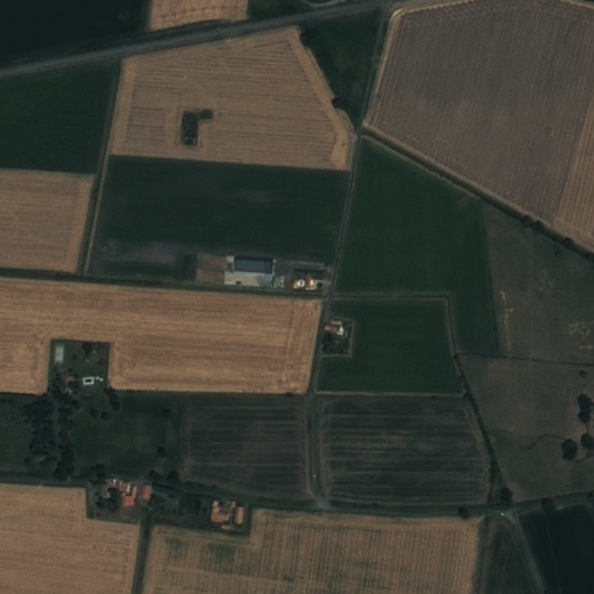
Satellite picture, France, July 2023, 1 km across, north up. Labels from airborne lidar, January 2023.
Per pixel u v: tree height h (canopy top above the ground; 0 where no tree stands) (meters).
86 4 0
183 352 0
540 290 0
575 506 0
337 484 0
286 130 0
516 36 0
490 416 0
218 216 0
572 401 0
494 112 0
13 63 0
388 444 0
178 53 0
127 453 0
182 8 0
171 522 0
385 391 0
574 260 0
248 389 0
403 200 0
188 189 0
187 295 0
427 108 0
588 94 0
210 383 0
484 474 0
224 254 0
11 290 0
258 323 0
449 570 0
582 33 0
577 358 0
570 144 0
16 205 0
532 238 0
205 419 0
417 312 0
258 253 0
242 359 0
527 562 0
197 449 0
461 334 0
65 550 0
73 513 0
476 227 0
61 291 0
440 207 0
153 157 0
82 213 0
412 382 0
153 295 0
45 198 0
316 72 0
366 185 0
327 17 0
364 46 0
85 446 0
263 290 0
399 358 0
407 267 0
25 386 0
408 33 0
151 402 0
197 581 0
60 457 0
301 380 0
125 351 0
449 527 0
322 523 0
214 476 0
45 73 0
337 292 0
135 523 0
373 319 0
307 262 0
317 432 0
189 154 0
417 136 0
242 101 0
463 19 0
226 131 0
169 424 0
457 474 0
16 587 0
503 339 0
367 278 0
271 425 0
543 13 0
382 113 0
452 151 0
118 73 0
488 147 0
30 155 0
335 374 0
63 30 0
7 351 0
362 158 0
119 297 0
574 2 0
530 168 0
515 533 0
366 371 0
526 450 0
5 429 0
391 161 0
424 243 0
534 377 0
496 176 0
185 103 0
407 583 0
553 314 0
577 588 0
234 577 0
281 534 0
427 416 0
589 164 0
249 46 0
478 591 0
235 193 0
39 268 0
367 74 0
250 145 0
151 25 0
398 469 0
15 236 0
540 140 0
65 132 0
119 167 0
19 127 0
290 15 0
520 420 0
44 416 10
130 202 0
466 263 0
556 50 0
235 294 0
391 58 0
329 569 0
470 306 0
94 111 0
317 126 0
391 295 0
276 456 0
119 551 0
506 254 0
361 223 0
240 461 0
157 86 0
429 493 0
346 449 0
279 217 0
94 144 0
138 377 0
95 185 0
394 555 0
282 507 0
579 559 0
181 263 0
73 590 0
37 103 0
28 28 0
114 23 0
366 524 0
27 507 0
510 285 0
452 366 0
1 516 0
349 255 0
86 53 0
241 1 0
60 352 0
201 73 0
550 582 0
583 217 0
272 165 0
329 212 0
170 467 0
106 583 0
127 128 0
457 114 0
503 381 0
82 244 0
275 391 0
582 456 0
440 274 0
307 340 0
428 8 0
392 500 0
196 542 0
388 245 0
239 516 0
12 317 0
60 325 0
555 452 0
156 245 0
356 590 0
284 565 0
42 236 0
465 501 0
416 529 0
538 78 0
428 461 0
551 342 0
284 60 0
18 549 0
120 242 0
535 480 0
